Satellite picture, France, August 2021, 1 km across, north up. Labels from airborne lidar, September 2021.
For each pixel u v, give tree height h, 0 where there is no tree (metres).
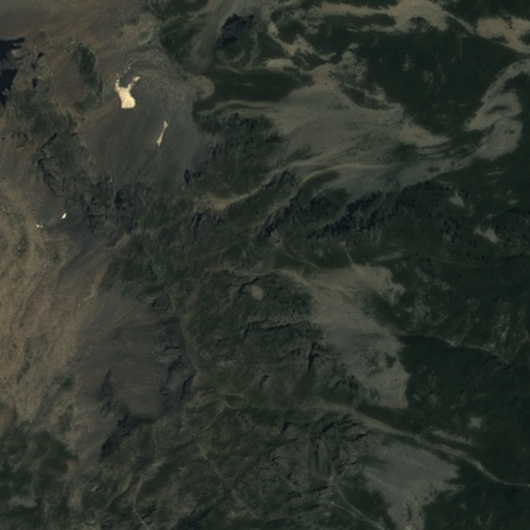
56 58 0
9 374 0
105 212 0
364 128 0
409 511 0
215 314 0
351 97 0
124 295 0
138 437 0
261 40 0
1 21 0
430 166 0
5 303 0
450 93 0
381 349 0
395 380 0
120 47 0
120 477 0
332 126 0
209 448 0
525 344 0
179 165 0
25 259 0
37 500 0
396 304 0
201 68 0
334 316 0
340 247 0
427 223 0
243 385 0
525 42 0
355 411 0
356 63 0
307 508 0
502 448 0
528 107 0
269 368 0
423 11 0
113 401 0
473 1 0
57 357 0
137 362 0
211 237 0
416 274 0
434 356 0
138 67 0
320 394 0
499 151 0
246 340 0
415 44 0
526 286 0
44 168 0
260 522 0
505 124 0
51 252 0
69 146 0
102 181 0
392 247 0
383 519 0
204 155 0
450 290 0
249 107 0
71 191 0
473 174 0
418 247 0
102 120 0
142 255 0
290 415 0
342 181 0
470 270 0
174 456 0
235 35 0
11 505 0
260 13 0
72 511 0
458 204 0
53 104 0
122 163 0
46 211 0
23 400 0
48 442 0
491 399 0
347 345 0
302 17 0
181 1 0
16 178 0
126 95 0
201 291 0
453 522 0
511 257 6
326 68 0
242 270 0
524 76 0
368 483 0
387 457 0
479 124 0
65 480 0
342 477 0
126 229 0
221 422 0
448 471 0
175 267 0
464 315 0
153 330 0
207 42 0
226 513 0
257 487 0
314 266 0
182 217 0
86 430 0
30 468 0
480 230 0
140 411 0
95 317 0
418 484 0
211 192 0
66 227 0
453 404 0
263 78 0
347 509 0
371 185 0
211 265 0
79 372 0
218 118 0
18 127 0
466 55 0
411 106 0
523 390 0
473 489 0
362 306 0
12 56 0
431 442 0
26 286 0
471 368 0
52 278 0
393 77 0
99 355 0
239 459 0
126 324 0
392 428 0
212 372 0
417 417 0
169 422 0
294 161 0
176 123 0
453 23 0
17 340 0
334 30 0
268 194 0
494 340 0
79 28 0
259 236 0
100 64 0
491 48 0
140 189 0
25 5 0
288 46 0
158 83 0
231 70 0
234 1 0
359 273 0
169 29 0
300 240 0
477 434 0
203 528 0
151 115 0
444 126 0
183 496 0
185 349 0
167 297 0
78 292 0
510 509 0
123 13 0
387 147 0
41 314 0
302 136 0
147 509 0
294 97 0
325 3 0
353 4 0
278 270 0
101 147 0
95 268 0
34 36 0
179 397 0
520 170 0
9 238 0
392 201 0
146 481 0
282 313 6
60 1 0
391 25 0
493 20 0
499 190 0
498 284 0
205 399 0
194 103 0
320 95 0
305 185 0
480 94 0
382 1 0
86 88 0
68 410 0
